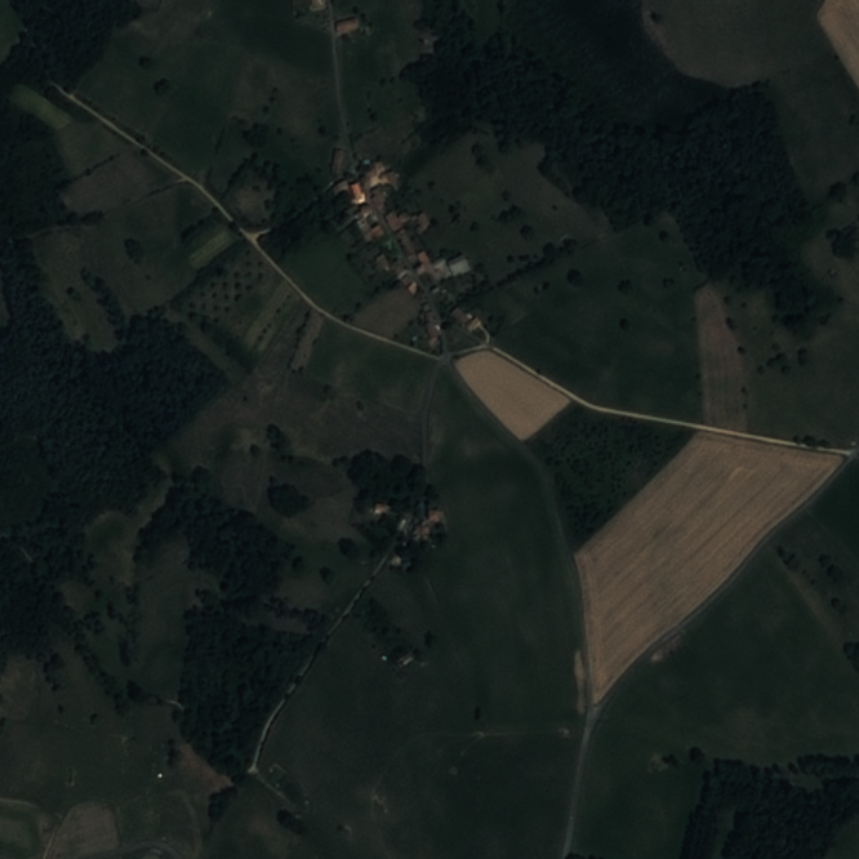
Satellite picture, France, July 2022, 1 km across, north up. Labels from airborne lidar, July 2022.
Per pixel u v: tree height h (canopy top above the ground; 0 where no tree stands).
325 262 0
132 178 0
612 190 25
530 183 0
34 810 0
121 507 21
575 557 0
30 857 0
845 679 0
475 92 8
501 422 0
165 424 29
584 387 0
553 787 0
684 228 7
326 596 0
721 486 0
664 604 0
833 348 0
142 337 24
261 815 0
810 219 8
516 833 0
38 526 18
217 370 22
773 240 30
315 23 0
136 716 0
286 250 9
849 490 0
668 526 0
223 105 0
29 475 0
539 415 0
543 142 12
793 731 0
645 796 0
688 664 0
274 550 20
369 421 0
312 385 0
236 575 31
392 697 0
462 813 0
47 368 25
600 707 0
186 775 0
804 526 0
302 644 10
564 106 29
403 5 0
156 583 0
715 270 16
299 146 0
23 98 0
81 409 26
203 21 0
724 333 0
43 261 0
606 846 0
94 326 0
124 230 0
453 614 0
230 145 0
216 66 0
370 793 0
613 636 0
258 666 6
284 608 16
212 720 14
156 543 11
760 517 0
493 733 0
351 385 0
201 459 0
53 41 18
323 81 0
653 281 0
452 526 0
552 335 0
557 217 0
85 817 0
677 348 0
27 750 0
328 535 0
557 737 0
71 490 21
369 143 0
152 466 23
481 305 0
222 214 8
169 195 0
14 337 20
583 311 0
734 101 21
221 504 19
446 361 0
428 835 0
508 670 0
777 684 0
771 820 10
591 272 0
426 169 0
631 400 0
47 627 6
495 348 0
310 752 0
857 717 0
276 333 0
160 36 0
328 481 0
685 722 0
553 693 0
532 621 0
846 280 0
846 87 0
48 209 16
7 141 21
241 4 0
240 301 9
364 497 14
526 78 20
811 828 16
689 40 0
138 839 0
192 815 0
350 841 0
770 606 0
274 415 0
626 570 0
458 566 0
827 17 0
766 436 0
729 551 0
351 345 0
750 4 0
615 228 7
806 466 0
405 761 0
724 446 0
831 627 0
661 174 16
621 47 6
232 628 16
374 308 0
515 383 0
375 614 10
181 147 0
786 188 22
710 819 15
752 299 0
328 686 0
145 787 0
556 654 0
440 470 0
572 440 5
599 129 29
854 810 19
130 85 0
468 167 0
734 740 0
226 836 0
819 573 0
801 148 0
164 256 0
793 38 0
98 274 0
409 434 0
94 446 23
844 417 0
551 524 0
